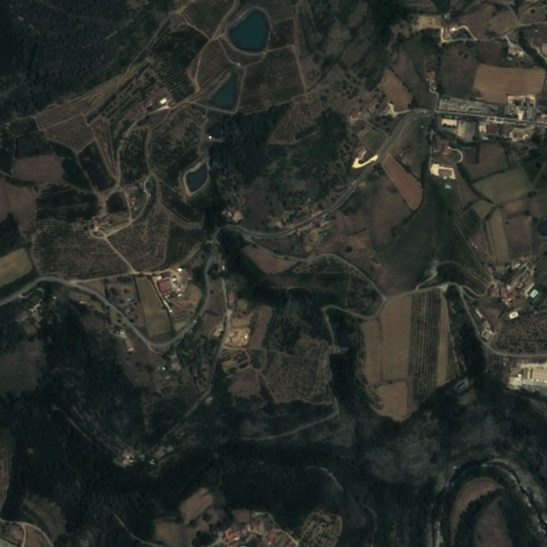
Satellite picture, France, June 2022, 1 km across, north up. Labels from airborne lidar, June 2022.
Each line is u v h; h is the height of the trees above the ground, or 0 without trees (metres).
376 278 0
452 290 15
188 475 16
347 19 6
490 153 0
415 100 11
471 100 0
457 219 0
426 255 0
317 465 16
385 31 10
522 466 0
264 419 7
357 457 13
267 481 14
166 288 0
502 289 0
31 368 0
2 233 11
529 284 0
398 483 9
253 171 11
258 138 13
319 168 9
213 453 21
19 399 14
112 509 14
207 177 0
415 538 21
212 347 8
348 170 6
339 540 7
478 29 0
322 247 0
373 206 0
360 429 7
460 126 0
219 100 0
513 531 11
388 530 8
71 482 19
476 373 10
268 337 8
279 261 0
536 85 0
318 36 0
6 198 0
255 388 0
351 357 7
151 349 0
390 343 0
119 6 8
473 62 0
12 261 0
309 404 8
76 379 8
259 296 7
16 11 7
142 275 8
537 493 0
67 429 25
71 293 0
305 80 0
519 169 0
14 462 9
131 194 0
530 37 0
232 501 8
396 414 0
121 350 0
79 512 14
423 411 8
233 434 13
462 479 8
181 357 7
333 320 6
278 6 0
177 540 0
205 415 7
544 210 0
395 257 0
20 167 0
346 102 0
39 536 0
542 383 0
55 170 0
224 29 0
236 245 28
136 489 22
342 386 24
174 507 11
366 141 0
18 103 12
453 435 12
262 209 0
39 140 7
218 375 7
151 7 7
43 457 8
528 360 0
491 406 7
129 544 8
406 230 0
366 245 0
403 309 0
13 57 13
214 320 0
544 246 0
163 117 0
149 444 7
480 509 10
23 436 9
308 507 7
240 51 0
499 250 0
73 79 12
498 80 0
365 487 9
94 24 6
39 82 16
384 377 0
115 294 11
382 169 6
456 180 0
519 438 7
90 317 0
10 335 16
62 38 14
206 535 8
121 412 9
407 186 0
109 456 9
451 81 0
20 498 15
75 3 16
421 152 0
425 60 0
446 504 7
